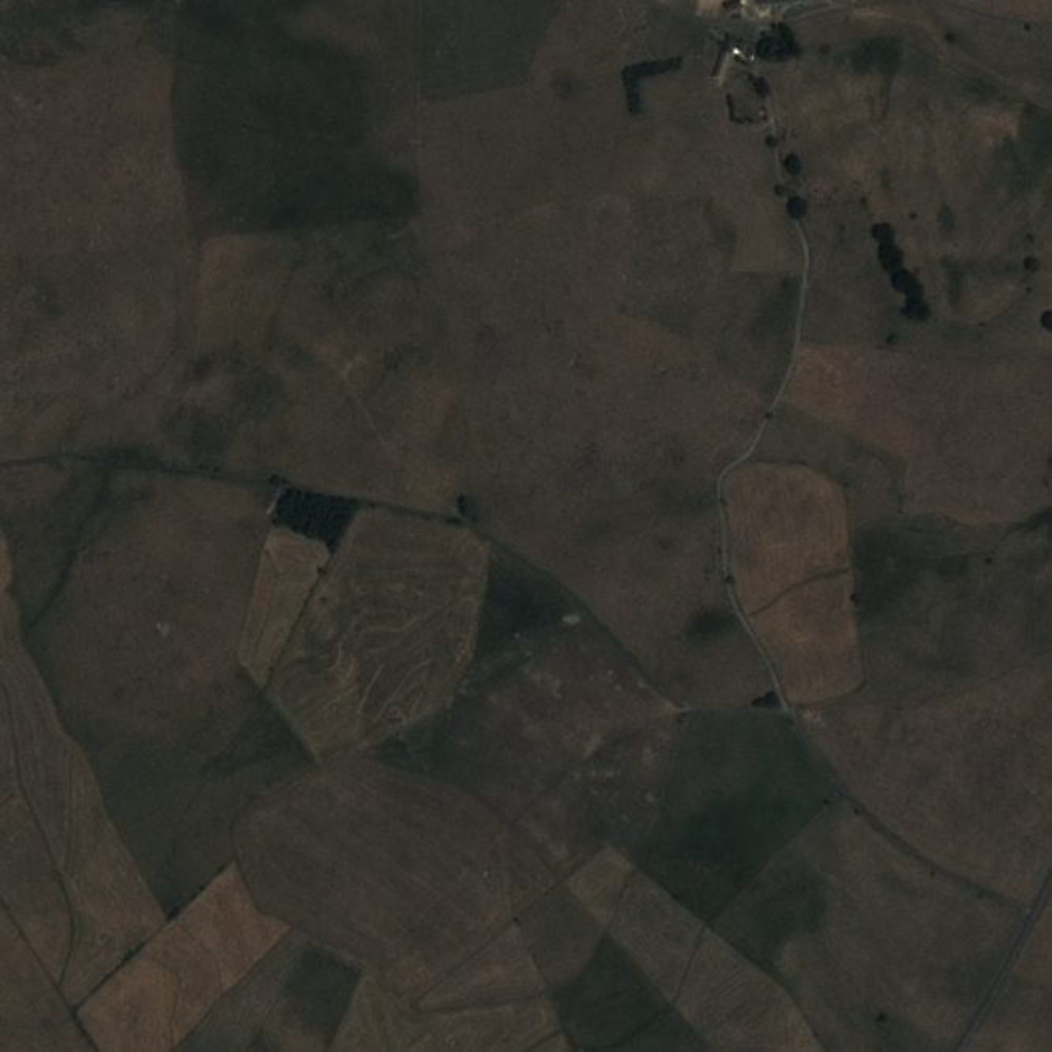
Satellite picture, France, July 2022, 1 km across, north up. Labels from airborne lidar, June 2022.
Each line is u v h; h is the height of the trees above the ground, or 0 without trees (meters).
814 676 0
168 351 0
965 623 0
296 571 0
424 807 0
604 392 0
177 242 0
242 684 0
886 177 0
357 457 0
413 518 0
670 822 0
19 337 0
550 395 0
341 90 0
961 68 0
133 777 0
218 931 0
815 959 0
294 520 15
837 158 0
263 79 0
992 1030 0
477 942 0
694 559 0
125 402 0
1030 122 0
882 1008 0
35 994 0
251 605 0
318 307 0
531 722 0
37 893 0
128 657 0
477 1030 0
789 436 0
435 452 0
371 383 0
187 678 0
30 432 0
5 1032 0
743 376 0
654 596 0
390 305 0
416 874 0
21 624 0
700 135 0
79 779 0
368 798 0
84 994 0
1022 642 0
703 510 0
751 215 0
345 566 0
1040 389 0
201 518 0
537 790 0
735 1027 0
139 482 0
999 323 0
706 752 0
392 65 0
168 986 0
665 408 0
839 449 0
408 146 0
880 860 0
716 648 0
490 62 0
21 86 0
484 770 0
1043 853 0
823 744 0
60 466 0
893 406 0
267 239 0
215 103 0
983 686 0
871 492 0
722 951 0
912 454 0
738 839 0
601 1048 0
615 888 0
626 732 0
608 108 0
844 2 0
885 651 0
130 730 0
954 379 0
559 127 0
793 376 0
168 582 0
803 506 0
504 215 0
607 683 0
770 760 0
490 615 0
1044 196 0
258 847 0
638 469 0
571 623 0
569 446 0
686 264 0
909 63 0
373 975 0
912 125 0
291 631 0
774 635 0
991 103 0
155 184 0
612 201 0
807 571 0
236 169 0
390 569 0
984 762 0
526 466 0
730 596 0
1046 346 0
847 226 0
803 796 0
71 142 0
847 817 0
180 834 0
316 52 0
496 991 0
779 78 0
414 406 0
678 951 0
